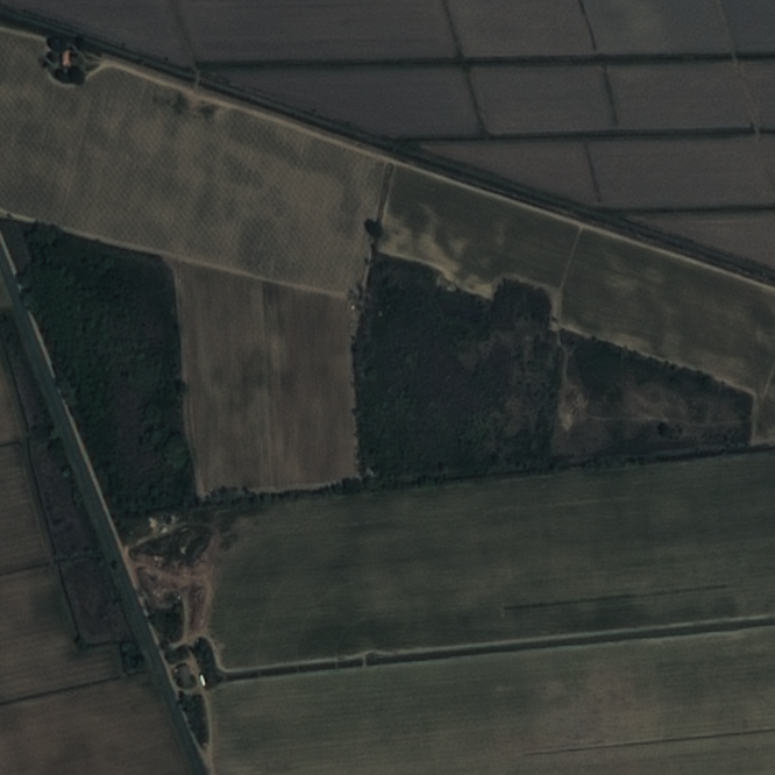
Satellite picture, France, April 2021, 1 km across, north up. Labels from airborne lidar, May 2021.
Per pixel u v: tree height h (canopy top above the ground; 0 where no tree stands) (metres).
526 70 0
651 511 0
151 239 0
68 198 0
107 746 0
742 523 0
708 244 0
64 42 10
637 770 0
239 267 0
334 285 0
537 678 0
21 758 0
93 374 10
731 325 0
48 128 0
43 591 0
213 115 0
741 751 0
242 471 0
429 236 0
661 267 0
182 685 7
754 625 0
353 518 0
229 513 0
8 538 0
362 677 0
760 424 0
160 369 8
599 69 0
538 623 0
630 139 0
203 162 0
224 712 0
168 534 0
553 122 0
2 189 0
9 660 0
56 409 0
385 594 0
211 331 0
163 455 11
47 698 0
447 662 0
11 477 0
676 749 0
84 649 10
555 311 0
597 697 0
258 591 0
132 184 0
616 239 0
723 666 0
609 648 0
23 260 6
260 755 0
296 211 0
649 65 0
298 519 0
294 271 0
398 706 0
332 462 0
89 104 0
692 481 0
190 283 0
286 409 0
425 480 9
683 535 0
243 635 0
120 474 8
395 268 6
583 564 0
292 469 0
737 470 0
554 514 0
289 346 0
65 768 0
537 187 0
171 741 0
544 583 0
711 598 0
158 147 0
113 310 8
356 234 0
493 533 0
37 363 0
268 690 0
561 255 0
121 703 0
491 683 0
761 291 0
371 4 0
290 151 0
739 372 0
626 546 0
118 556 0
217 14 0
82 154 0
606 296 0
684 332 0
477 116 0
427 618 0
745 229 0
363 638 0
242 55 0
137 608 0
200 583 0
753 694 0
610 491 0
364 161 0
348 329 0
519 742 0
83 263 8
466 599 0
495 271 0
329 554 0
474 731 0
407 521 0
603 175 0
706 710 0
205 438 0
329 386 0
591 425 0
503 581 0
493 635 0
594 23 0
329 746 0
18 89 0
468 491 0
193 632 0
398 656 0
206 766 0
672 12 0
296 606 0
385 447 8
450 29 0
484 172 0
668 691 0
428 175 0
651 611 0
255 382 0
